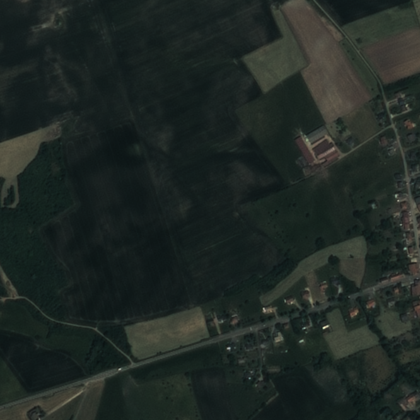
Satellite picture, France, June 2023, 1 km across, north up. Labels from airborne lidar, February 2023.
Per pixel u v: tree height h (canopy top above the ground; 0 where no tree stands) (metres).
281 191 7
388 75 0
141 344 0
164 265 0
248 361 0
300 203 0
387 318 0
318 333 0
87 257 0
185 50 0
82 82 0
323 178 0
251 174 0
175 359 0
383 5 0
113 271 0
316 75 0
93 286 0
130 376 0
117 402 0
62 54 0
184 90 0
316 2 0
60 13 0
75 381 0
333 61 0
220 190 0
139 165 0
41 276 6
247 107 0
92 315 0
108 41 0
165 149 0
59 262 0
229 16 0
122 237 0
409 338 0
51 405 0
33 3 0
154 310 0
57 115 0
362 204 0
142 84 0
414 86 0
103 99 0
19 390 0
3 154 0
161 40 0
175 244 0
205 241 0
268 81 0
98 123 0
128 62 0
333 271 0
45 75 0
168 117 0
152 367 0
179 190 0
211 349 0
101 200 0
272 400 0
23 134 0
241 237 0
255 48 0
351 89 0
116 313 0
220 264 0
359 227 11
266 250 0
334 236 0
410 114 0
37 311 6
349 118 0
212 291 0
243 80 0
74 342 0
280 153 0
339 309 0
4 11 0
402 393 0
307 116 0
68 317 0
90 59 0
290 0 0
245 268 0
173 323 0
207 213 0
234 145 0
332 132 0
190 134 0
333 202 0
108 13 0
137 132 0
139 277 0
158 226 0
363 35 0
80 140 0
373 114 0
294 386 0
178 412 0
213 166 0
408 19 0
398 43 0
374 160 0
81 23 0
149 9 0
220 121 0
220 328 0
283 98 0
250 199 0
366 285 0
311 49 0
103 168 0
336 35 0
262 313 0
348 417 0
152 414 0
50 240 0
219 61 0
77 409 0
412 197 0
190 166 0
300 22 0
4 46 0
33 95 0
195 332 0
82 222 0
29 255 11
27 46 0
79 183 0
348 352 0
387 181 0
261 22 0
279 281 8
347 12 0
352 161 0
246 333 0
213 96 0
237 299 0
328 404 0
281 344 0
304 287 0
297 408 0
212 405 0
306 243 0
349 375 0
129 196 0
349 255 0
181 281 0
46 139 0
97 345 11
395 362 7
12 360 0
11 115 0
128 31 0
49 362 0
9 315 0
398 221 0
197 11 0
